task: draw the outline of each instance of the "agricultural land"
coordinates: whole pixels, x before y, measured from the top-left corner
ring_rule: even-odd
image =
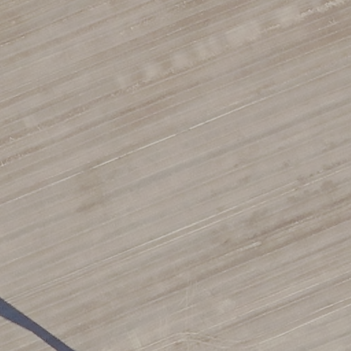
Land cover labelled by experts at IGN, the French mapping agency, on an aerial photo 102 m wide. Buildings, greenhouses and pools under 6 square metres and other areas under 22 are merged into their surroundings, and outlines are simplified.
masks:
[[[351,351],[351,0],[0,0],[0,351]]]

